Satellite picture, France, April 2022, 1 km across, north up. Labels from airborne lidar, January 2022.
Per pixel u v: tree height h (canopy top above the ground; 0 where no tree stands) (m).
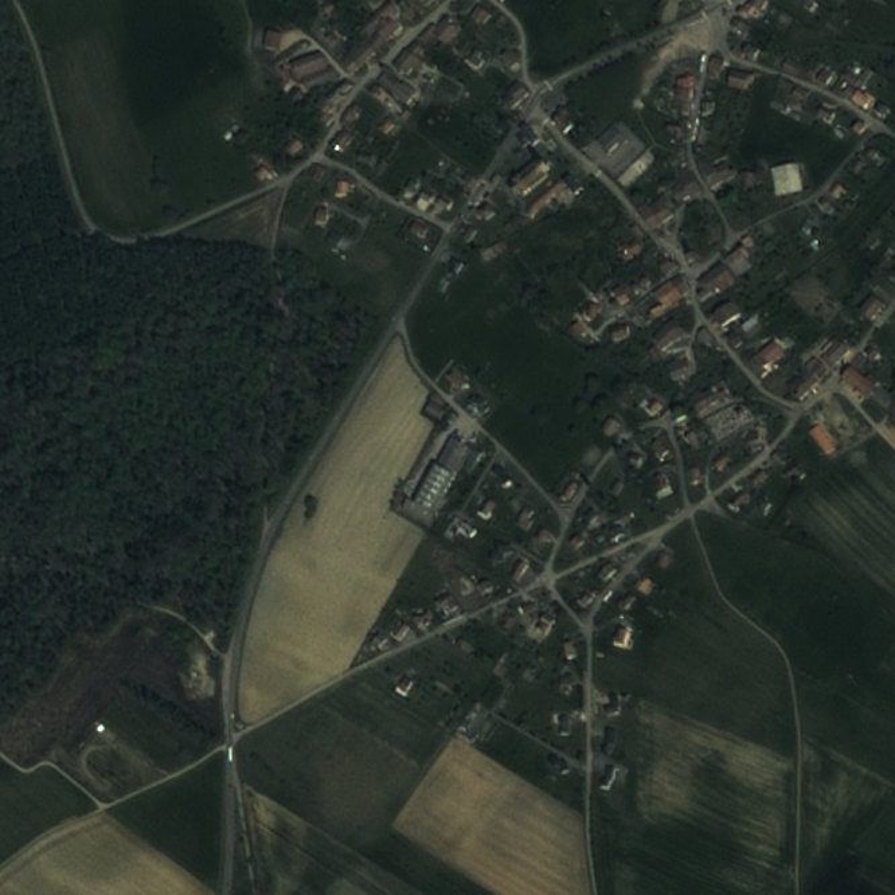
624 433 0
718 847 0
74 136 0
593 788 0
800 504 0
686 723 0
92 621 30
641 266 6
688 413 15
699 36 0
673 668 0
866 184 8
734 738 0
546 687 0
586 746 0
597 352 10
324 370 25
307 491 0
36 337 19
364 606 0
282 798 0
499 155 0
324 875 0
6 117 21
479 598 0
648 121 0
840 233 0
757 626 0
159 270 17
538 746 0
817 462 0
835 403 0
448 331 0
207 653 0
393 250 0
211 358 24
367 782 0
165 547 26
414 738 0
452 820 0
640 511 0
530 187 0
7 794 0
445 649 0
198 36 0
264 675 0
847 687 0
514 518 0
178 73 0
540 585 0
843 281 0
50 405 29
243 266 19
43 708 0
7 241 18
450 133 0
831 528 0
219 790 0
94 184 0
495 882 0
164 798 0
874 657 0
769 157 0
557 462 0
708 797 0
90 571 31
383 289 0
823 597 0
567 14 0
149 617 22
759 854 0
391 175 0
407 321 0
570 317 0
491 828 0
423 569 0
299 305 24
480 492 0
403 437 0
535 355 0
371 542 0
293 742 0
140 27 0
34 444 24
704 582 0
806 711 0
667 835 0
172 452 23
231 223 0
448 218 0
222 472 23
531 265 0
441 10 0
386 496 0
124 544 25
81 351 24
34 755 0
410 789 0
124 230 0
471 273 0
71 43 0
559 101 0
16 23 14
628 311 0
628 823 0
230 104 0
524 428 0
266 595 0
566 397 0
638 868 0
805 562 0
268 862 0
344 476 0
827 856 0
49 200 18
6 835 0
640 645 0
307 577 0
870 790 0
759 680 0
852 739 0
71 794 0
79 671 0
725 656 0
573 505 0
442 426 0
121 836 0
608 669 0
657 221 0
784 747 0
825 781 0
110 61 0
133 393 23
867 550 0
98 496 22
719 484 0
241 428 17
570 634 0
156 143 0
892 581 0
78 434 21
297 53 0
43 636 23
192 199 0
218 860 0
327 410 14
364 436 0
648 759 0
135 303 15
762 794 0
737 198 14
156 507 21
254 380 22
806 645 0
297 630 0
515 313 0
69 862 0
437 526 0
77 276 16
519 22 0
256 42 0
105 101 0
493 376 0
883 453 0
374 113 0
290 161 7
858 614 0
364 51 0
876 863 0
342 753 0
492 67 0
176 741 0
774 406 0
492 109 6
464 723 6
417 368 0
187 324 26
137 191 0
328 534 0
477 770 0
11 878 0
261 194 0
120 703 0
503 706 0
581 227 0
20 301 18
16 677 19
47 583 24
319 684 0
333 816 0
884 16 0
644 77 0
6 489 11
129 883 0
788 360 0
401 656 0
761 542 0
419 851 0
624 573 0
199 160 0
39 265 20
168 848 0
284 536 0
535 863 0
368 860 0
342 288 0
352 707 0
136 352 16
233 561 26
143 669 0
